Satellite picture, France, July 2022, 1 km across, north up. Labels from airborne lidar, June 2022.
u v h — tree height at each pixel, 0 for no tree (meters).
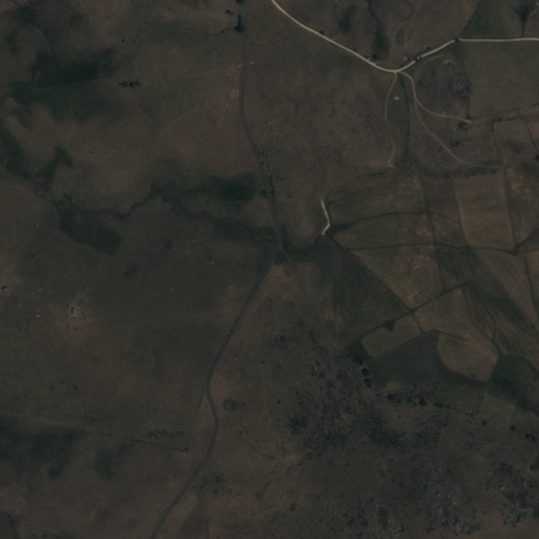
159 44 0
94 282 0
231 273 0
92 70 0
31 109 0
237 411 0
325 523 0
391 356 0
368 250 0
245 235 0
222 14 0
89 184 0
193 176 0
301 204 0
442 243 0
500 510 0
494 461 0
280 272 0
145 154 0
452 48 0
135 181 0
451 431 0
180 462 0
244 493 0
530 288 0
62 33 0
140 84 6
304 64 0
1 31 0
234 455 0
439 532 0
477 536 0
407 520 0
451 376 0
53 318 0
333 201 0
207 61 0
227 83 0
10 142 0
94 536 0
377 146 0
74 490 0
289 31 0
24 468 0
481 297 0
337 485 0
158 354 0
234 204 0
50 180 0
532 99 0
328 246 0
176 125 0
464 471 0
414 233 0
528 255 0
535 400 0
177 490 0
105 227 0
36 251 0
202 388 0
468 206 0
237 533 0
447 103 0
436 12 0
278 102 0
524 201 0
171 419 0
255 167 0
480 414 0
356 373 0
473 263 0
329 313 0
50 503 0
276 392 0
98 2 0
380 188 0
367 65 0
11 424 0
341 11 0
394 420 0
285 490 0
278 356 0
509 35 0
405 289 0
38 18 0
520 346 0
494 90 0
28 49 0
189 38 0
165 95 0
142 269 0
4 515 0
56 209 0
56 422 0
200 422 0
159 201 0
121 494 0
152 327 0
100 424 0
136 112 0
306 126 0
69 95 0
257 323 0
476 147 0
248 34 0
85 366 0
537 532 0
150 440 0
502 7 0
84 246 0
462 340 0
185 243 0
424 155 0
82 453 0
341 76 0
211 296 0
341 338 0
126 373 0
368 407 0
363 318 0
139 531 0
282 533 0
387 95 0
